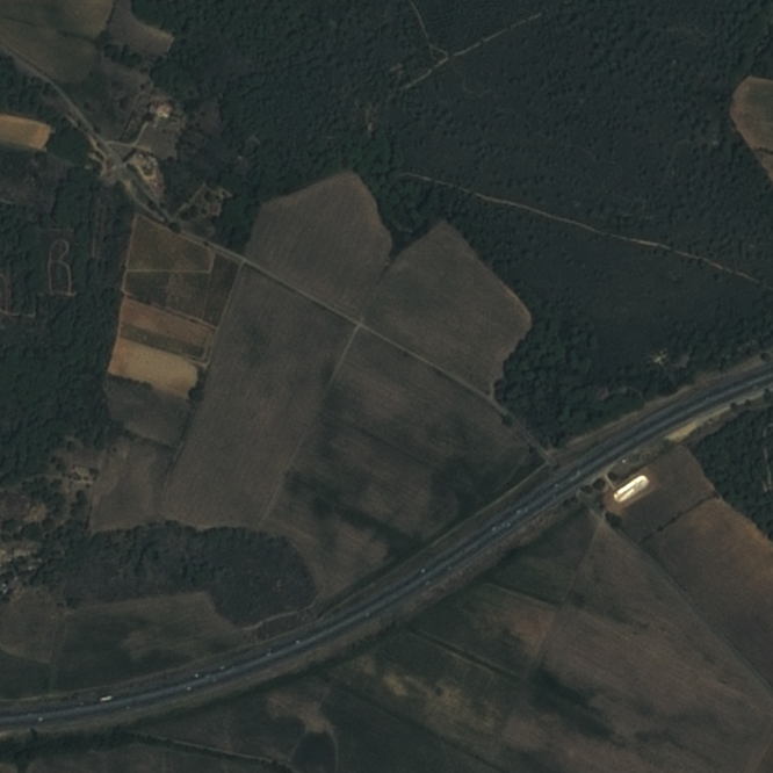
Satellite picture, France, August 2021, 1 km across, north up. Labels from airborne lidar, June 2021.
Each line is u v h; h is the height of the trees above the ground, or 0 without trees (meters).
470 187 6
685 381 10
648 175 7
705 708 0
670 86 7
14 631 0
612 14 10
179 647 0
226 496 0
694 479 0
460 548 0
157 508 0
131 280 0
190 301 0
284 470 0
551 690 0
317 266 0
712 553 0
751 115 0
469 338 0
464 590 0
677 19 8
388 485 0
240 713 0
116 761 0
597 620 0
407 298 0
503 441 0
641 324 0
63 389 7
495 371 0
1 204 8
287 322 0
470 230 12
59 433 8
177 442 0
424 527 0
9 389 9
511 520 0
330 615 0
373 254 0
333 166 13
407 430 0
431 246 0
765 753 0
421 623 0
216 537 11
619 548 0
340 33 7
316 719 0
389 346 0
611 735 0
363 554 0
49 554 7
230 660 0
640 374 7
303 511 0
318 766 0
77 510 8
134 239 0
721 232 7
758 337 8
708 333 8
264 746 0
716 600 0
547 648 0
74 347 8
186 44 9
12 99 8
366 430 0
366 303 0
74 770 0
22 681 0
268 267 0
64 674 0
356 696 0
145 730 0
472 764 0
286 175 11
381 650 0
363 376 0
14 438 9
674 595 0
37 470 8
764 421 7
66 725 0
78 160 9
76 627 0
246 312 0
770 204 13
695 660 0
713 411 0
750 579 0
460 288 0
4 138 0
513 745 0
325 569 0
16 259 9
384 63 6
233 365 0
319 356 0
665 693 0
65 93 0
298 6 10
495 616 0
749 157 15
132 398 0
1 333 0
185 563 12
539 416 6
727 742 0
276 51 9
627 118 9
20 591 0
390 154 11
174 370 0
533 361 14
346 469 0
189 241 0
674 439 0
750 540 0
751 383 0
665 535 0
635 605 0
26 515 0
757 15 12
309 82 7
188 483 0
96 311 9
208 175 6
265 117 6
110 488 0
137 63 8
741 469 9
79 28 0
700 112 10
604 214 9
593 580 0
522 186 11
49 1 0
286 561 9
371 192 10
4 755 8
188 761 0
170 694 0
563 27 10
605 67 10
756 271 6
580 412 13
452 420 0
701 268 10
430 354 0
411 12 6
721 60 8
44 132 0
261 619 0
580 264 8
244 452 0
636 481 0
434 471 0
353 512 0
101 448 9
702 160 11
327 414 0
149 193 0
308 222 0
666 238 7
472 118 8
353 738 0
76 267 10
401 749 0
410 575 0
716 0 9
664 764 0
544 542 0
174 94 8
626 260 0
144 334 0
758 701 0
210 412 0
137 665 0
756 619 0
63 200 11
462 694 0
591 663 0
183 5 10
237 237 11
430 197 17
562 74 7
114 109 0
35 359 8
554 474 0
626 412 11
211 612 0
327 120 9
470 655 0
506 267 10
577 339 11
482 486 0
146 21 8
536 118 6
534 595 0
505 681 0
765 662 0
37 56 0
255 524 0
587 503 0
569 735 0
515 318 0
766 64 9
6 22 0
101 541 8
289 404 0
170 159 7
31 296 7
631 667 0
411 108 8
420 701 0
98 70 0
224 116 11
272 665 0
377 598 0
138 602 0
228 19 8
